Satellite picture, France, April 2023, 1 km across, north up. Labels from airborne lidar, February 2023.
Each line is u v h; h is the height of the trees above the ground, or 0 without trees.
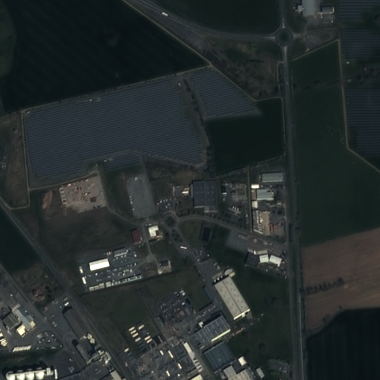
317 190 0
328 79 0
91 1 0
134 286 0
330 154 0
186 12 0
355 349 0
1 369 0
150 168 0
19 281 0
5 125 0
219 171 0
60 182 0
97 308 0
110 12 0
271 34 0
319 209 0
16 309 0
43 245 0
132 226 0
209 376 0
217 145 0
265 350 18
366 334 0
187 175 0
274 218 0
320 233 0
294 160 0
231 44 0
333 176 0
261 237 0
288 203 0
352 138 0
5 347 0
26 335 0
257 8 0
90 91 0
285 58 0
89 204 0
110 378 0
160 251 0
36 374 0
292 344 0
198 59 0
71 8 0
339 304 0
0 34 0
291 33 0
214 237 12
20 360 0
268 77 0
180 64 0
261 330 0
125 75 0
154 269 0
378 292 0
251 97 0
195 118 0
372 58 0
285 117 0
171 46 0
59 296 0
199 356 0
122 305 0
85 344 0
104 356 0
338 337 0
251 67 0
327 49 0
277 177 0
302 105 0
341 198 0
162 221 0
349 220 0
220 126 0
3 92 0
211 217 10
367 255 0
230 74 0
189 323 0
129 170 0
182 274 0
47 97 0
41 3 0
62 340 0
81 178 0
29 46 0
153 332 0
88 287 0
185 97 0
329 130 0
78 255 0
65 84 0
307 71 0
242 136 0
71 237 0
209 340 0
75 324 0
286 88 0
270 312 0
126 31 0
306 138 0
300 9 0
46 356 0
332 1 0
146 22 0
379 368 0
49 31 0
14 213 0
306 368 0
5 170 0
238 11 0
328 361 0
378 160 0
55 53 0
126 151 0
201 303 0
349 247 0
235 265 0
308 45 0
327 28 0
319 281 0
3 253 0
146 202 0
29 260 0
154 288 0
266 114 0
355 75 0
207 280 0
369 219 0
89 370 0
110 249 0
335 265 0
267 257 0
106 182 0
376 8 0
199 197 0
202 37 0
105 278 0
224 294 0
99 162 0
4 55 0
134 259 0
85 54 0
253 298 0
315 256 0
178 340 0
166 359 0
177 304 0
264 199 0
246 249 0
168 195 0
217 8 0
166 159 0
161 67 0
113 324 0
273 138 0
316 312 0
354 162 0
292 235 12
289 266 0
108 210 0
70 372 0
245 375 0
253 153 0
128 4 0
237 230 0
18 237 0
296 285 0
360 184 0
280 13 0
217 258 0
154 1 0
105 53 0
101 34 0
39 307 0
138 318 0
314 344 0
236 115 0
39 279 0
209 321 0
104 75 0
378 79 0
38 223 0
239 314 0
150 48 0
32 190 0
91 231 0
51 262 0
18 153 0
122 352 0
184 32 0
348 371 0
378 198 0
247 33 0
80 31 0
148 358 0
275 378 0
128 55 0
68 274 0
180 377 0
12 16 0
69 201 0
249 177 0
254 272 0
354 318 0
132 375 0
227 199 0
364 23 0
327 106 0
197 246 0
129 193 0
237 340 0
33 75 0
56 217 0
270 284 0
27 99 0
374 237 0
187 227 0
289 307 0
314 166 0
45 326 0
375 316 0
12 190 0
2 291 0
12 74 0
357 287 0
